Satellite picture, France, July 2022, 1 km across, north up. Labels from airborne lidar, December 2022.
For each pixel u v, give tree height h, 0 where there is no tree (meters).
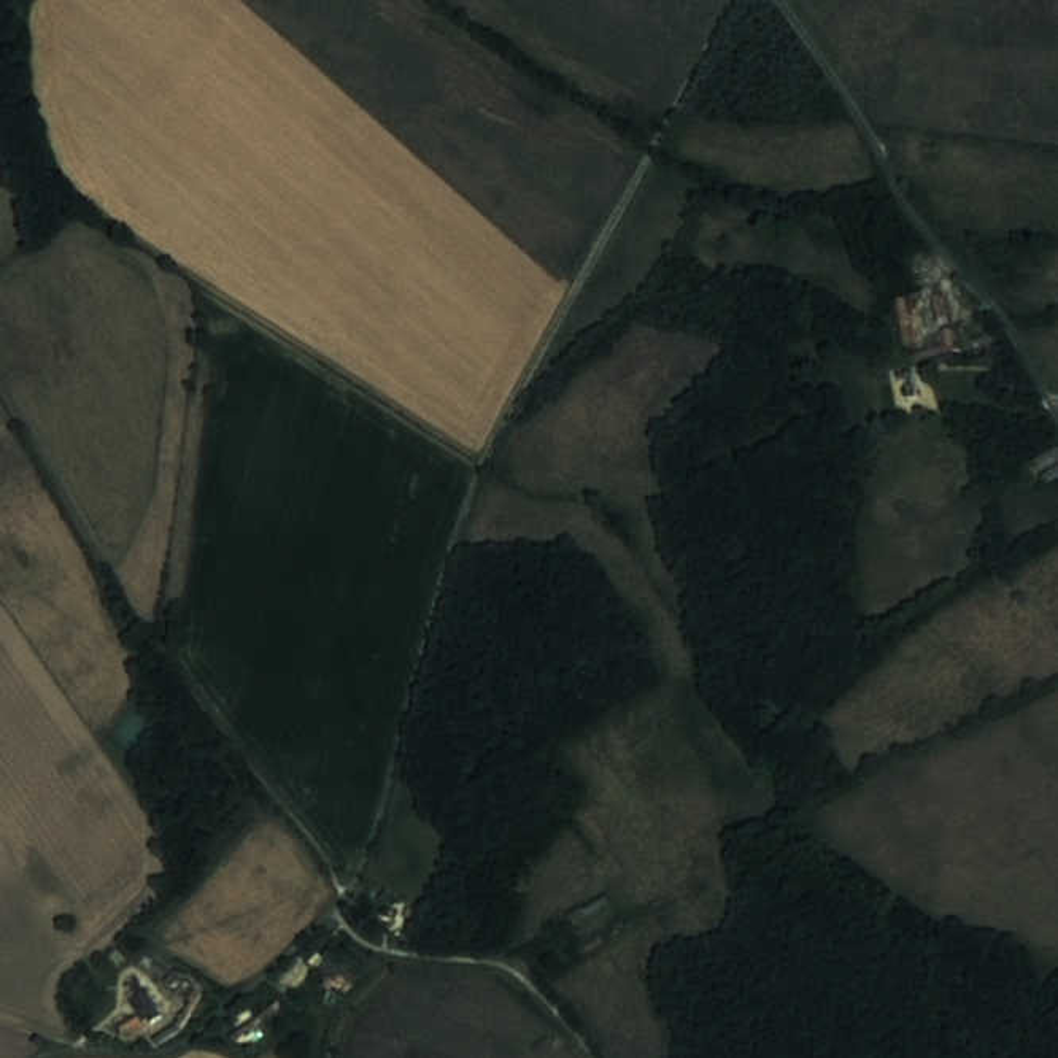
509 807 22
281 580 0
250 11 0
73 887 0
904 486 0
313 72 0
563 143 0
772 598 25
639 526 0
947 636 0
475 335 0
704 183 13
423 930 16
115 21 0
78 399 0
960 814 0
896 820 0
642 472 0
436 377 0
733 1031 24
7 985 0
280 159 0
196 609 0
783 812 17
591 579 24
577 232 0
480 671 24
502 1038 0
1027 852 0
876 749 0
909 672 0
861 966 22
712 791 0
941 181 0
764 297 24
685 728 0
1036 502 0
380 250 0
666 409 0
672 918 0
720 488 24
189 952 0
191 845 16
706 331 18
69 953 0
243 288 0
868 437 21
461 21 14
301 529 0
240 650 0
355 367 0
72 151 0
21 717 0
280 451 0
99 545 0
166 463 0
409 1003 0
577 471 0
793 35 6
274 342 0
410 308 0
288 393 0
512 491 0
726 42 20
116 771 0
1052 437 14
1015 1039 26
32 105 14
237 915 0
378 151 0
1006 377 18
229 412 0
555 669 20
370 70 0
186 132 0
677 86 0
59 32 0
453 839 14
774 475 23
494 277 0
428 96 0
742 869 26
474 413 0
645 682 19
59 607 0
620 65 0
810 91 16
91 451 0
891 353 17
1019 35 0
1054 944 0
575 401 0
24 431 14
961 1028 21
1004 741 0
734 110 13
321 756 0
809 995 24
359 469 0
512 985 0
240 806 6
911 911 12
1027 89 0
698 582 25
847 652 24
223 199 0
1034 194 0
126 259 0
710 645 22
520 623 23
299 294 0
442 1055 0
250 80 0
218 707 0
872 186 14
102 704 0
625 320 12
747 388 25
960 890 0
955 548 0
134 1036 0
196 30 0
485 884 12
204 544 0
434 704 24
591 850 0
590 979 0
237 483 0
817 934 25
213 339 23
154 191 0
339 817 0
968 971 26
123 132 0
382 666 0
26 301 0
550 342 0
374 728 0
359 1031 0
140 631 19
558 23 0
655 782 0
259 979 0
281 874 0
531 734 21
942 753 0
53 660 0
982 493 17
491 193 0
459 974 0
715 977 20
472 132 0
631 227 0
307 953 8
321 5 0
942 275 0
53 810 0
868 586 0
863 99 0
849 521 23
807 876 32
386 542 0
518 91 0
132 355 0
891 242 19
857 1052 16
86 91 0
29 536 0
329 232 0
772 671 21
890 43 0
